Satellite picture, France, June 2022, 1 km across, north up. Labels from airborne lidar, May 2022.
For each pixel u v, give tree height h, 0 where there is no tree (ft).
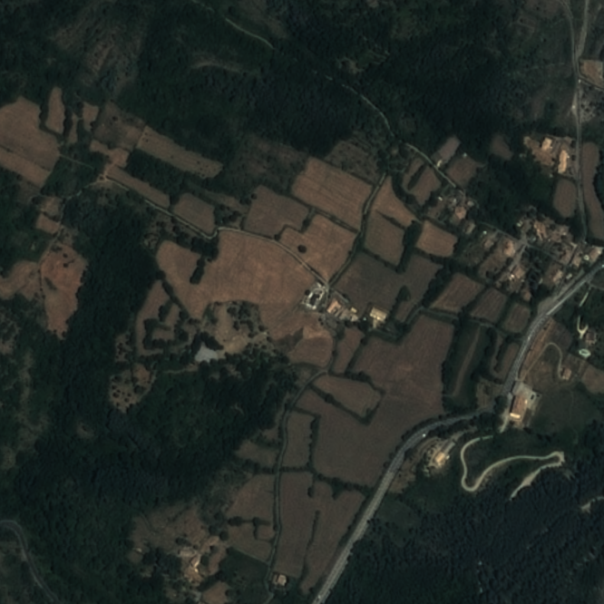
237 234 0
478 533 51
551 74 0
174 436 26
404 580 31
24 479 47
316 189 0
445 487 0
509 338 37
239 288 0
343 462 0
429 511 19
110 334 41
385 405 0
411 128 0
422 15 21
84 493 32
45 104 27
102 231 37
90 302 41
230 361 41
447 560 42
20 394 21
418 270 0
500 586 24
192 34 19
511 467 34
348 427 0
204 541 0
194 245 45
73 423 50
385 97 22
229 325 0
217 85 44
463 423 49
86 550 38
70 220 22
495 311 0
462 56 38
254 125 22
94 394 44
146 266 45
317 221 0
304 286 0
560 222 37
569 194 0
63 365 38
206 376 23
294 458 0
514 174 36
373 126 41
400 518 0
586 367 0
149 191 0
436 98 62
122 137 0
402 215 0
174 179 20
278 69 45
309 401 0
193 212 0
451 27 31
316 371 0
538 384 0
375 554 36
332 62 21
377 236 0
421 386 0
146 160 25
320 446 0
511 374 0
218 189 41
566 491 51
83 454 34
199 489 29
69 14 32
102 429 32
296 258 0
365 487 27
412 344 0
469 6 29
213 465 21
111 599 34
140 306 33
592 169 0
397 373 0
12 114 0
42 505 42
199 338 30
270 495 0
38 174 0
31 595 24
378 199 0
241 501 0
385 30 38
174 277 0
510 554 50
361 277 0
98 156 28
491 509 47
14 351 23
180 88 24
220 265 0
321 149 31
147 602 22
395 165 21
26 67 24
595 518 41
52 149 0
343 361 0
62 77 26
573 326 19
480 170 30
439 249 0
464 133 39
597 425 43
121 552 38
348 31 30
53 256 0
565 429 0
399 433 0
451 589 53
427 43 38
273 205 0
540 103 0
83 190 28
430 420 35
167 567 52
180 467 52
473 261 0
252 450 0
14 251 25
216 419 30
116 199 26
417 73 38
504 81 44
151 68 43
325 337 0
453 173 0
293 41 23
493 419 56
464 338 0
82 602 24
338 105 37
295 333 0
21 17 33
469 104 68
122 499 28
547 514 55
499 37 21
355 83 28
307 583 0
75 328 32
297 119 29
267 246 0
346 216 0
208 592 0
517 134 38
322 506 0
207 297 0
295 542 0
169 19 30
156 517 0
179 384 17
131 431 87
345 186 0
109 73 33
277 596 32
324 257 0
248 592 0
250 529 0
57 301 0
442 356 0
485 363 27
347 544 0
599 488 56
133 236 24
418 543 39
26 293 0
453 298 0
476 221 24
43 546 25
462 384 0
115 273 34
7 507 22
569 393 0
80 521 45
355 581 40
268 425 38
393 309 19
